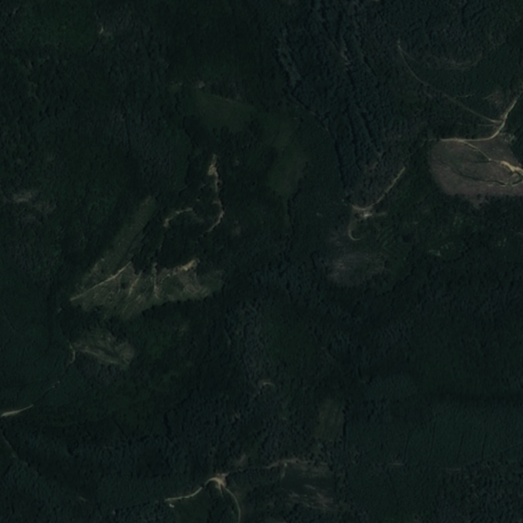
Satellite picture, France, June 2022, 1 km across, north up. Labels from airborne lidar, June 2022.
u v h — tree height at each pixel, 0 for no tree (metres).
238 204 18
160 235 21
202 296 0
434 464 16
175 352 8
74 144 21
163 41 20
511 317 19
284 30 18
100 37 13
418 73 11
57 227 16
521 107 8
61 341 14
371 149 29
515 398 15
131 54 17
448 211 14
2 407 11
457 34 15
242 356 15
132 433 14
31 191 11
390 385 21
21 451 21
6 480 24
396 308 26
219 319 23
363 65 25
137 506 21
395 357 20
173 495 15
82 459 38
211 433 24
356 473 13
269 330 14
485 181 0
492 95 11
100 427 17
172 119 18
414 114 8
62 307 17
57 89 17
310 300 21
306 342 17
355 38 24
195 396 29
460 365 19
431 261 23
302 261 24
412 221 7
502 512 28
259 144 13
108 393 10
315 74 22
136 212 17
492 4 26
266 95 12
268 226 16
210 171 21
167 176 17
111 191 24
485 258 21
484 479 9
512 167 0
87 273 19
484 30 22
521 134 15
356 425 16
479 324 21
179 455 28
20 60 16
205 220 10
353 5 24
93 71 16
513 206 14
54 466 23
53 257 15
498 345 20
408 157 7
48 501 32
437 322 16
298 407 18
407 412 17
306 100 37
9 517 20
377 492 15
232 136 11
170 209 16
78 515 16
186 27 18
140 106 16
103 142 21
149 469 14
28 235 17
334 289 20
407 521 12
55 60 17
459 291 8
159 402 7
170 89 16
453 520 17
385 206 19
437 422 19
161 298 0
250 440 10
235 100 19
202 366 20
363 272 6
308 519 28
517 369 14
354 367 23
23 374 13
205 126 20
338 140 17
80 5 17
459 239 7
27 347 13
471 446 19
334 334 19
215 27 18
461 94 10
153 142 15
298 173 0
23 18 17
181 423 28
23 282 10
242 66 21
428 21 18
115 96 11
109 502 21
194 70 15
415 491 14
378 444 14
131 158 22
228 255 19
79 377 12
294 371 15
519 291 23
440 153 0
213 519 18
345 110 25
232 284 20
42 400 11
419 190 11
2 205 17
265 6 22
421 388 17
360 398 15
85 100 19
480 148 0
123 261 0
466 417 17
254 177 13
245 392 16
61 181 18
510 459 19
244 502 0
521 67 12
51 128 20
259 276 32
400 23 17
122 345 12
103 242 21
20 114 13
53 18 15
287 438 15
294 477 0
